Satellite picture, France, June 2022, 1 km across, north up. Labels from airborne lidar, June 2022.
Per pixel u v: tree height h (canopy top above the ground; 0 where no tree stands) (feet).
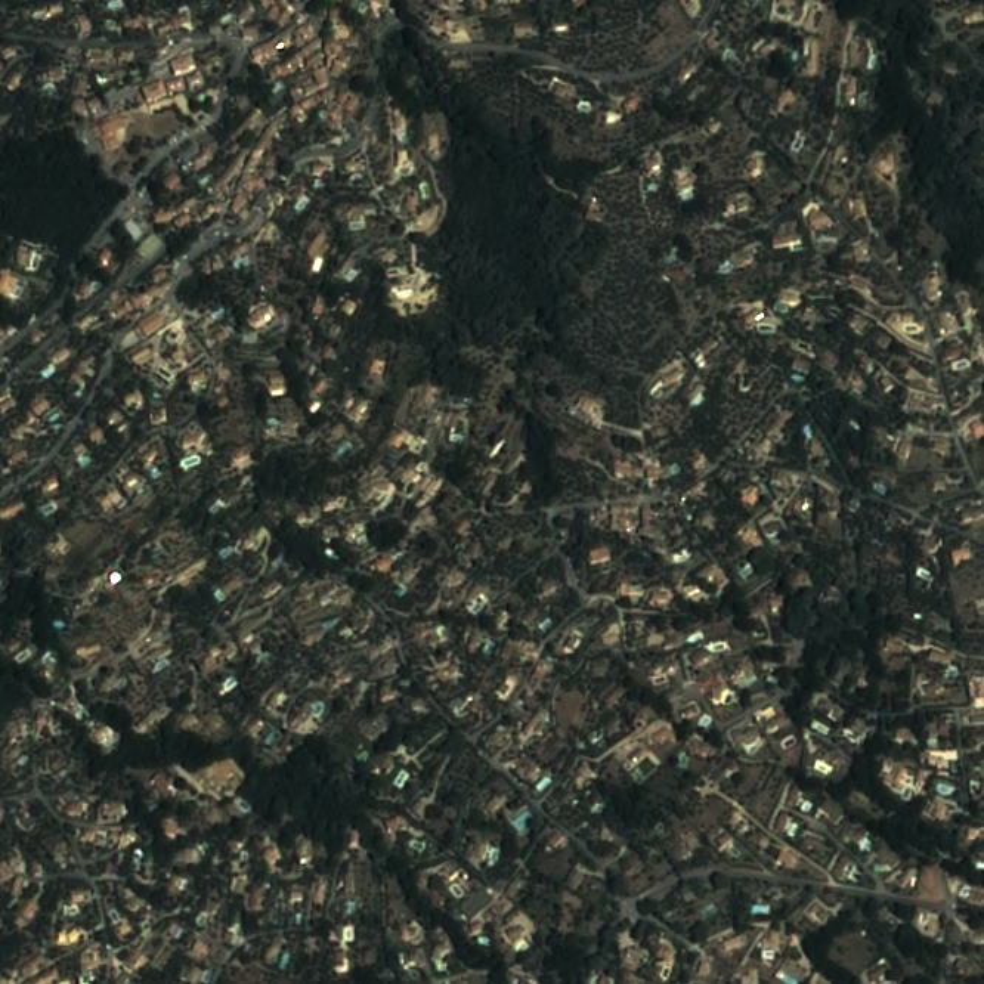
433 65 29
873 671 27
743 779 31
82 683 32
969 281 65
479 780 40
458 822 20
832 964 36
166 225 20
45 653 26
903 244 36
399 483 25
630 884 50
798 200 41
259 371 26
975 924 46
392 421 18
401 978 21
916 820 34
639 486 21
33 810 23
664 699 30
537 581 29
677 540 19
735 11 21
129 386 27
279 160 22
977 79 23
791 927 24
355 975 35
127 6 33
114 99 0
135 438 27
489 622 50
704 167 46
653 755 0
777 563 28
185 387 33
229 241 24
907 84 47
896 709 31
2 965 34
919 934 35
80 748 34
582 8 36
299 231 30
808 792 46
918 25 39
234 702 23
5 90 25
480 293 34
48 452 19
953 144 77
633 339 17
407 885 51
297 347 49
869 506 30
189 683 21
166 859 34
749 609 42
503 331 32
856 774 53
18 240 28
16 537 19
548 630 18
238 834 58
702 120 45
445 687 22
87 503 22
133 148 38
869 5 79
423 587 22
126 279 0
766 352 20
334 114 0
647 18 21
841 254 27
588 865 19
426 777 34
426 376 36
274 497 25
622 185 18
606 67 21
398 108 40
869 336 19
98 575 20
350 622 19
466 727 17
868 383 22
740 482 22
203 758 60
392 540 57
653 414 20
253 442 25
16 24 23
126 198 44
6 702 29
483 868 34
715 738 44
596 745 27
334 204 24
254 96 22
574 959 52
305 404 30
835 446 22
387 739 70
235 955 20
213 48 22
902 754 32
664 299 21
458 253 62
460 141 62
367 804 31
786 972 0
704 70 19
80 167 46
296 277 36
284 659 18
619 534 27
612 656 19
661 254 46
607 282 18
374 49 22
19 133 26
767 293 32
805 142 17
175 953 19
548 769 26
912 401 0
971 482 36
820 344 20
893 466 19
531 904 40
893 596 20
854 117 26
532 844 25
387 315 45
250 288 33
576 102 17
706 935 44
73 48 0
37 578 32
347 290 29
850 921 23
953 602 19
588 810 24
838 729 33
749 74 23
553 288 58
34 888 19
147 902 23
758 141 41
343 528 29
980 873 32
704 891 21
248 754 51
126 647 31
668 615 19
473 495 30
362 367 46
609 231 19
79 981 21
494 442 51
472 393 24
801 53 25
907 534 20
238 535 36
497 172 68
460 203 45
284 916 20
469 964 35
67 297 21
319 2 53
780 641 26
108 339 19
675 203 24
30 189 41
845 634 53
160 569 19
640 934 62
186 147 21
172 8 28
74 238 39
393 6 34
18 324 43
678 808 31
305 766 63
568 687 35
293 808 72
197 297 27
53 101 20
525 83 21
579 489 21
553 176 41
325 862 28
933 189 70
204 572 21
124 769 53
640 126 22
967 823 49
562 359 32
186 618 25
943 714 23
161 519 23
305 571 25
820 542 20
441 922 44
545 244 93
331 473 58
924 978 31
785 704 39
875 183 19
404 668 35
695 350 23
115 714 69
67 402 21
